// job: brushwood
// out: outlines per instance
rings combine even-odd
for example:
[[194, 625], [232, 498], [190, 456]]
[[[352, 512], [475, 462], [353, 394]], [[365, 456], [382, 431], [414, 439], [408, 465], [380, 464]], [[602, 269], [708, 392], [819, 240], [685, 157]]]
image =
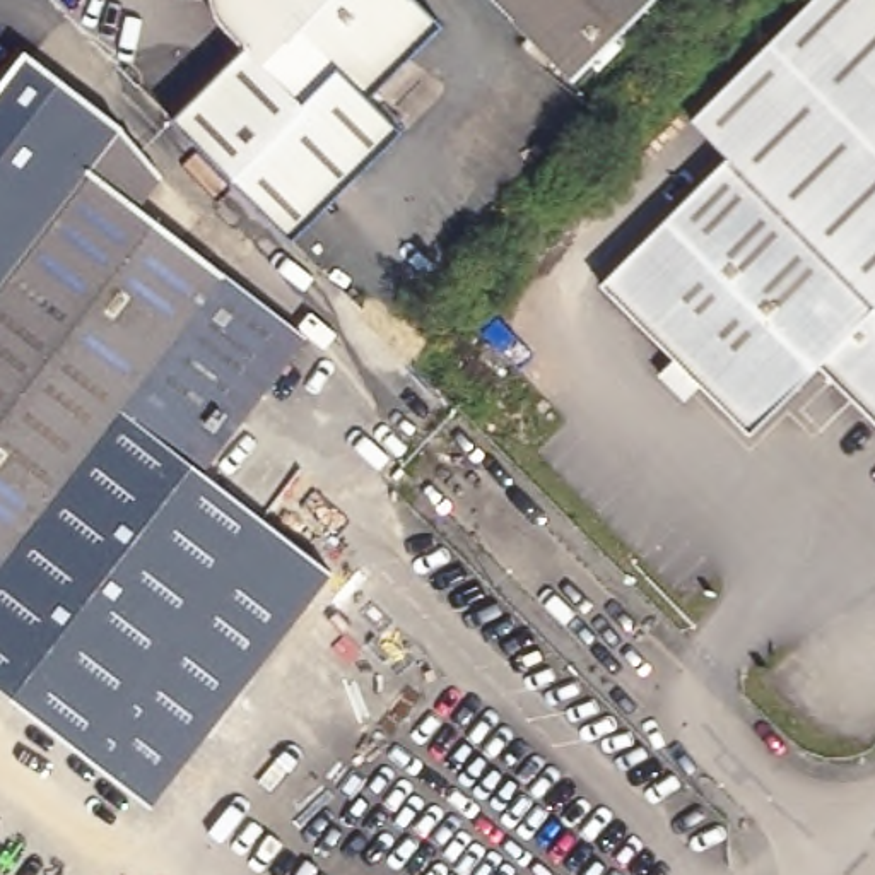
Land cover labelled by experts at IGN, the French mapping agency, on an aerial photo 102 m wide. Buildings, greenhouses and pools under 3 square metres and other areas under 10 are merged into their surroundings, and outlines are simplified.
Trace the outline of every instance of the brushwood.
[[427, 314], [427, 297], [396, 291], [386, 301], [386, 308], [407, 325], [414, 325], [424, 338], [424, 349], [410, 366], [458, 410], [465, 410], [465, 417], [496, 417], [496, 400], [489, 393], [499, 376], [482, 362], [485, 335], [448, 328], [444, 318]]
[[667, 130], [670, 120], [694, 116], [810, 0], [656, 0], [656, 7], [625, 34], [622, 51], [602, 72], [588, 75], [578, 85], [584, 96], [591, 96], [588, 113], [581, 120], [591, 126], [615, 130], [619, 171], [625, 171], [636, 181], [643, 174], [643, 154], [649, 140], [660, 130]]

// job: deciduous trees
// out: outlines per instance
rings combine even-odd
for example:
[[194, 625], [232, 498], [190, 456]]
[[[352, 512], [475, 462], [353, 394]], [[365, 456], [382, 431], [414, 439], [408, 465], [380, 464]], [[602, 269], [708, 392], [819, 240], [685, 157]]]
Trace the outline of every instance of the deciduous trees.
[[550, 250], [554, 243], [561, 243], [567, 229], [574, 229], [584, 219], [612, 215], [619, 202], [629, 202], [636, 181], [625, 171], [619, 171], [615, 130], [591, 126], [581, 120], [561, 137], [554, 157], [540, 167], [537, 178], [516, 181], [506, 191], [496, 226], [479, 226], [458, 243], [451, 270], [444, 273], [441, 287], [427, 297], [427, 314], [444, 318], [448, 328], [485, 335], [492, 321], [513, 321], [520, 294], [533, 280], [540, 280], [540, 260], [533, 260], [533, 250]]

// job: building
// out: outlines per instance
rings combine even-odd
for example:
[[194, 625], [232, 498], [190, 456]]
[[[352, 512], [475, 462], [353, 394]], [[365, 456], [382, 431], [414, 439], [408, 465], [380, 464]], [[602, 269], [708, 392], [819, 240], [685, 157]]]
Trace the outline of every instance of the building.
[[270, 653], [297, 622], [297, 615], [308, 608], [308, 602], [318, 595], [318, 588], [325, 584], [325, 557], [304, 554], [297, 543], [291, 543], [291, 537], [273, 530], [246, 502], [239, 502], [215, 482], [222, 458], [239, 448], [232, 441], [232, 431], [250, 417], [263, 393], [277, 393], [280, 376], [297, 373], [301, 352], [311, 345], [301, 335], [301, 325], [277, 318], [253, 294], [232, 284], [222, 270], [215, 270], [205, 256], [198, 256], [188, 243], [181, 243], [174, 232], [167, 232], [157, 219], [150, 219], [140, 208], [147, 198], [154, 202], [161, 188], [167, 188], [167, 174], [133, 144], [133, 137], [116, 120], [109, 120], [99, 106], [79, 96], [72, 85], [65, 85], [51, 68], [44, 68], [31, 55], [17, 55], [0, 75], [0, 690], [24, 704], [31, 714], [38, 714], [31, 728], [48, 735], [48, 742], [68, 738], [72, 745], [85, 749], [99, 766], [123, 776], [147, 803], [154, 803], [181, 772], [181, 766], [195, 755], [195, 749], [205, 742], [212, 725], [226, 714], [226, 708], [239, 697], [250, 677], [270, 660]]
[[386, 137], [386, 120], [362, 96], [366, 85], [427, 27], [427, 14], [414, 0], [212, 0], [215, 21], [236, 41], [239, 55], [178, 113], [178, 123], [191, 137], [191, 144], [202, 147], [229, 174], [229, 181], [250, 202], [256, 202], [280, 229], [294, 229], [332, 191], [332, 185]]
[[663, 379], [677, 396], [711, 393], [738, 420], [755, 420], [762, 410], [796, 393], [817, 369], [831, 366], [875, 414], [875, 0], [810, 0], [694, 116], [704, 140], [721, 154], [721, 164], [605, 277], [612, 297], [625, 311], [632, 311], [636, 321], [646, 325], [656, 345], [667, 352]]
[[578, 85], [588, 75], [602, 72], [622, 51], [625, 34], [656, 7], [656, 0], [496, 0], [502, 21], [513, 24], [516, 34], [523, 34], [526, 55], [537, 65], [550, 68], [564, 85]]

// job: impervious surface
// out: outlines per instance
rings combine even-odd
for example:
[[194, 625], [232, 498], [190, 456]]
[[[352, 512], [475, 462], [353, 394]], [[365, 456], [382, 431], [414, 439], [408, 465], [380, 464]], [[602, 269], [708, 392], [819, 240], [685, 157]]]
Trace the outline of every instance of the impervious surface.
[[133, 137], [133, 144], [167, 174], [167, 188], [161, 188], [154, 202], [147, 198], [140, 208], [150, 219], [157, 219], [167, 232], [174, 232], [181, 243], [188, 243], [198, 256], [205, 256], [215, 270], [222, 270], [232, 284], [253, 294], [277, 318], [301, 325], [301, 335], [311, 345], [301, 352], [297, 373], [280, 376], [277, 393], [263, 393], [250, 417], [232, 431], [232, 441], [239, 448], [222, 458], [215, 482], [239, 502], [246, 502], [273, 530], [291, 537], [291, 543], [297, 543], [304, 554], [325, 557], [325, 584], [318, 588], [318, 595], [308, 602], [308, 608], [297, 615], [297, 622], [270, 653], [270, 660], [250, 677], [239, 697], [226, 708], [226, 714], [212, 725], [205, 742], [195, 749], [195, 755], [181, 766], [181, 772], [154, 803], [147, 803], [123, 776], [99, 766], [85, 749], [72, 745], [68, 738], [48, 742], [48, 735], [31, 728], [38, 714], [31, 714], [24, 704], [0, 690], [0, 875], [875, 875], [875, 759], [858, 755], [854, 766], [831, 766], [824, 755], [803, 752], [800, 745], [772, 742], [772, 725], [755, 714], [752, 701], [745, 697], [745, 677], [749, 663], [766, 670], [776, 667], [786, 680], [786, 697], [796, 708], [803, 708], [817, 725], [854, 738], [875, 735], [875, 414], [831, 366], [817, 369], [796, 393], [762, 410], [755, 420], [738, 420], [711, 393], [677, 396], [663, 379], [667, 352], [656, 345], [646, 325], [636, 321], [632, 311], [625, 311], [612, 297], [605, 277], [721, 164], [721, 154], [704, 140], [694, 116], [670, 120], [667, 130], [660, 130], [649, 140], [643, 154], [643, 174], [636, 181], [629, 202], [619, 202], [612, 215], [584, 219], [574, 229], [567, 229], [561, 243], [554, 243], [550, 250], [533, 250], [533, 260], [540, 260], [540, 280], [533, 280], [520, 294], [513, 321], [492, 321], [485, 335], [482, 362], [499, 376], [526, 376], [540, 393], [537, 407], [543, 420], [564, 414], [561, 431], [543, 444], [543, 458], [564, 475], [564, 482], [574, 485], [581, 499], [591, 502], [595, 513], [602, 513], [605, 523], [629, 547], [636, 547], [639, 557], [667, 584], [690, 595], [725, 588], [721, 605], [711, 608], [708, 619], [694, 619], [687, 632], [677, 632], [646, 598], [636, 595], [636, 578], [622, 574], [598, 547], [591, 547], [591, 540], [564, 513], [557, 513], [554, 502], [540, 496], [530, 499], [523, 492], [526, 479], [516, 468], [509, 468], [499, 458], [482, 458], [482, 448], [472, 448], [465, 441], [465, 417], [465, 410], [458, 410], [410, 366], [424, 349], [424, 338], [414, 325], [407, 325], [386, 308], [386, 301], [396, 291], [427, 297], [441, 287], [444, 273], [451, 270], [458, 243], [479, 226], [496, 226], [506, 191], [516, 181], [537, 178], [540, 167], [554, 157], [561, 137], [581, 120], [588, 113], [591, 96], [584, 96], [578, 85], [564, 85], [550, 68], [537, 65], [526, 55], [523, 34], [516, 34], [513, 24], [502, 21], [496, 0], [414, 0], [427, 14], [427, 27], [366, 85], [362, 96], [386, 120], [386, 137], [332, 185], [332, 191], [294, 229], [280, 229], [256, 202], [250, 202], [229, 181], [229, 174], [202, 147], [191, 144], [191, 137], [178, 123], [178, 113], [239, 55], [236, 41], [215, 21], [212, 0], [0, 0], [0, 75], [17, 55], [31, 55], [44, 68], [51, 68], [65, 85], [72, 85], [79, 96], [99, 106], [109, 120], [116, 120]]

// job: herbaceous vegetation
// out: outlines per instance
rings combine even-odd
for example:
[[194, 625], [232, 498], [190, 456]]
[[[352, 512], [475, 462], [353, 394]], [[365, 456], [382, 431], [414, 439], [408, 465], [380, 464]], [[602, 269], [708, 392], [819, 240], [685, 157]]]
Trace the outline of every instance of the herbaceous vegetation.
[[752, 701], [755, 714], [772, 725], [772, 742], [800, 745], [803, 752], [824, 755], [831, 766], [854, 766], [858, 755], [875, 759], [875, 735], [854, 738], [817, 725], [803, 708], [796, 708], [786, 697], [786, 680], [776, 667], [766, 670], [749, 663], [745, 677], [745, 697]]
[[581, 499], [574, 485], [564, 482], [564, 475], [543, 458], [543, 444], [561, 431], [564, 414], [543, 420], [537, 407], [540, 393], [526, 376], [499, 376], [489, 393], [496, 400], [496, 417], [465, 417], [465, 441], [472, 448], [482, 448], [482, 458], [499, 458], [509, 468], [516, 468], [526, 479], [523, 492], [530, 499], [540, 496], [554, 502], [557, 513], [564, 513], [591, 540], [591, 547], [598, 547], [622, 574], [636, 578], [636, 595], [646, 598], [677, 632], [687, 632], [694, 619], [708, 619], [711, 608], [721, 605], [725, 588], [690, 595], [667, 584], [639, 557], [636, 547], [629, 547], [605, 523], [602, 513], [595, 513], [591, 502]]

